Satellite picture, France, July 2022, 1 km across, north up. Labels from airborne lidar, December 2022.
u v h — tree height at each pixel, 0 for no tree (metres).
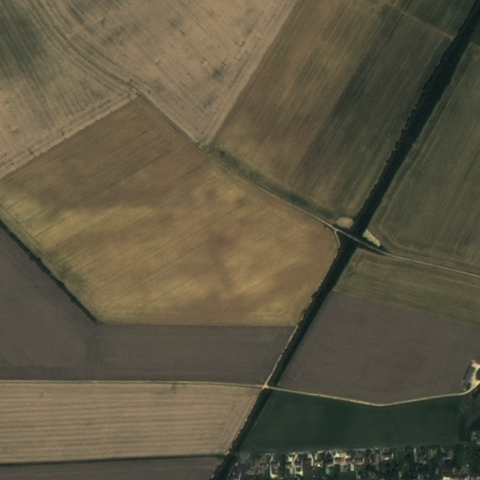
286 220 0
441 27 0
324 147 0
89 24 0
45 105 0
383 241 0
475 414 0
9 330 0
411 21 0
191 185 0
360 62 0
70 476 0
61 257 0
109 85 0
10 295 0
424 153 0
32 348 0
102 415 0
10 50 0
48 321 0
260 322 0
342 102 0
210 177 0
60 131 0
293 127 0
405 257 0
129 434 0
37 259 6
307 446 0
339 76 0
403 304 0
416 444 0
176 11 0
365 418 0
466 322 0
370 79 0
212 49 0
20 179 0
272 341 0
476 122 0
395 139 0
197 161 0
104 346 0
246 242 0
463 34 8
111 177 0
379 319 0
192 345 0
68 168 0
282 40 0
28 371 0
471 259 0
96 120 0
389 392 0
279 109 0
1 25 0
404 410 0
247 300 0
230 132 0
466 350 0
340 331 0
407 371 0
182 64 0
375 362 0
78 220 0
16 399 0
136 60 0
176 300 0
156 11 0
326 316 0
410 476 7
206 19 0
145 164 0
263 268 0
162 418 0
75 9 0
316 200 0
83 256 0
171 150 0
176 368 0
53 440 0
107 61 0
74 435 0
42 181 0
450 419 0
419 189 0
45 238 0
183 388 0
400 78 0
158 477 0
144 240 0
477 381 0
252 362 0
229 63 0
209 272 0
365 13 0
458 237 0
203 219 0
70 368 0
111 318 0
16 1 0
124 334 0
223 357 0
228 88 0
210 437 0
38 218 0
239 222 0
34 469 0
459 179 0
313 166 0
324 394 0
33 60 0
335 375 0
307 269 0
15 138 0
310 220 0
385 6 0
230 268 0
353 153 0
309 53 0
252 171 0
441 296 0
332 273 11
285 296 0
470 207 0
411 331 0
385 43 0
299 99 0
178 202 0
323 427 0
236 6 0
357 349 0
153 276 0
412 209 0
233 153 0
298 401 0
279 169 0
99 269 0
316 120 0
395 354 0
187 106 0
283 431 0
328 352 0
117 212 0
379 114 0
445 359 0
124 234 0
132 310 0
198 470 0
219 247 0
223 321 0
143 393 0
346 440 0
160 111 0
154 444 0
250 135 0
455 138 0
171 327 0
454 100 0
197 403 0
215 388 0
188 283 0
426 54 0
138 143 0
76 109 0
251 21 0
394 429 0
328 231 0
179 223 0
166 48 0
